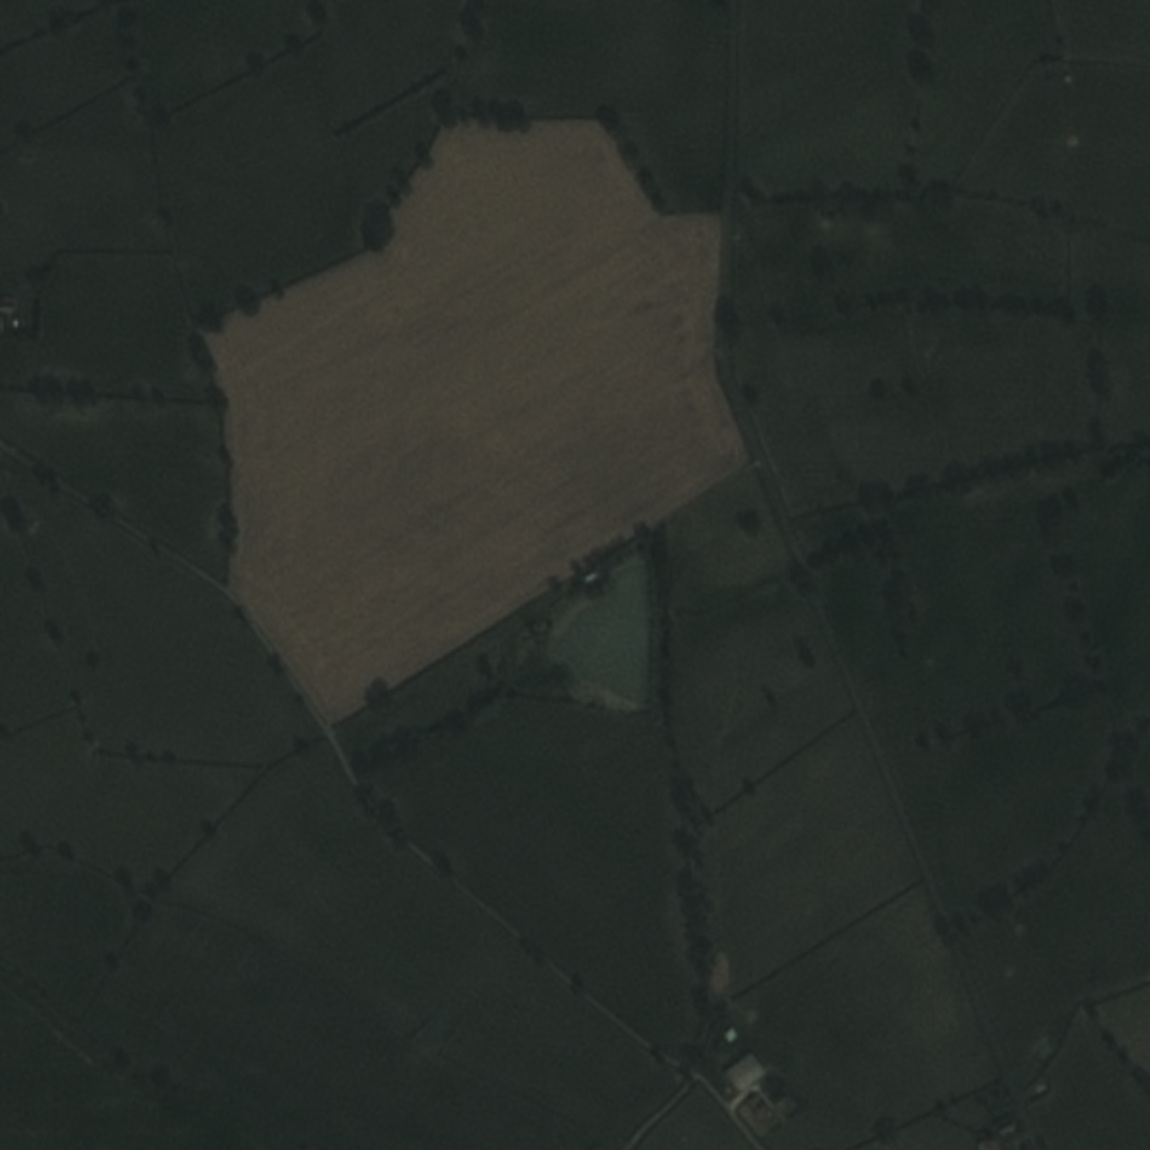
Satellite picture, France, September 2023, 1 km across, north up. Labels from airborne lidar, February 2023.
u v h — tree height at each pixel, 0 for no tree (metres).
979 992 0
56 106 0
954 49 0
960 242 0
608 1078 0
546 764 0
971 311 10
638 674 0
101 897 0
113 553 0
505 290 0
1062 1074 0
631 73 0
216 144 0
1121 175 0
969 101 0
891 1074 0
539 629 9
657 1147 0
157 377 0
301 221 0
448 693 0
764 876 0
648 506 0
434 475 0
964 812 0
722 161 0
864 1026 0
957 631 0
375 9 0
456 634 0
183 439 0
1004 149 0
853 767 0
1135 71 0
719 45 0
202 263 0
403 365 0
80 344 0
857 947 0
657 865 0
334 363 0
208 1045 0
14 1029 0
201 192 0
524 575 0
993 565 0
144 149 0
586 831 0
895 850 0
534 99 0
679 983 0
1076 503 15
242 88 0
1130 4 0
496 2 0
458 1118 0
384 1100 0
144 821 0
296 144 0
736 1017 0
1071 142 0
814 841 0
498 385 0
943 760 0
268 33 0
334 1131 0
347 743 0
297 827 0
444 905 0
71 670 0
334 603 0
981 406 0
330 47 0
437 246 0
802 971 0
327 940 0
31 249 0
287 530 0
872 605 0
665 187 0
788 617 0
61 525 0
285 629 0
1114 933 0
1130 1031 0
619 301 0
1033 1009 0
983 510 0
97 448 0
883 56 0
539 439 0
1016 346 0
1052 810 0
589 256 0
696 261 0
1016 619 0
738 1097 0
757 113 0
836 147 0
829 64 0
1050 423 0
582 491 0
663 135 0
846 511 0
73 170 0
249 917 0
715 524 0
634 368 0
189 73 0
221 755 0
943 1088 0
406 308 0
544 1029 0
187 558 0
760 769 0
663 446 0
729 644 0
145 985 0
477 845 0
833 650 0
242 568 0
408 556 0
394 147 0
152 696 0
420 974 0
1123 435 0
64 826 0
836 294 0
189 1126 0
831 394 0
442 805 0
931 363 0
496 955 0
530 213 0
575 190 0
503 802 0
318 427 0
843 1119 0
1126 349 0
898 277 0
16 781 0
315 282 0
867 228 0
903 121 0
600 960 0
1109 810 0
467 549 0
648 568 0
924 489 16
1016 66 0
